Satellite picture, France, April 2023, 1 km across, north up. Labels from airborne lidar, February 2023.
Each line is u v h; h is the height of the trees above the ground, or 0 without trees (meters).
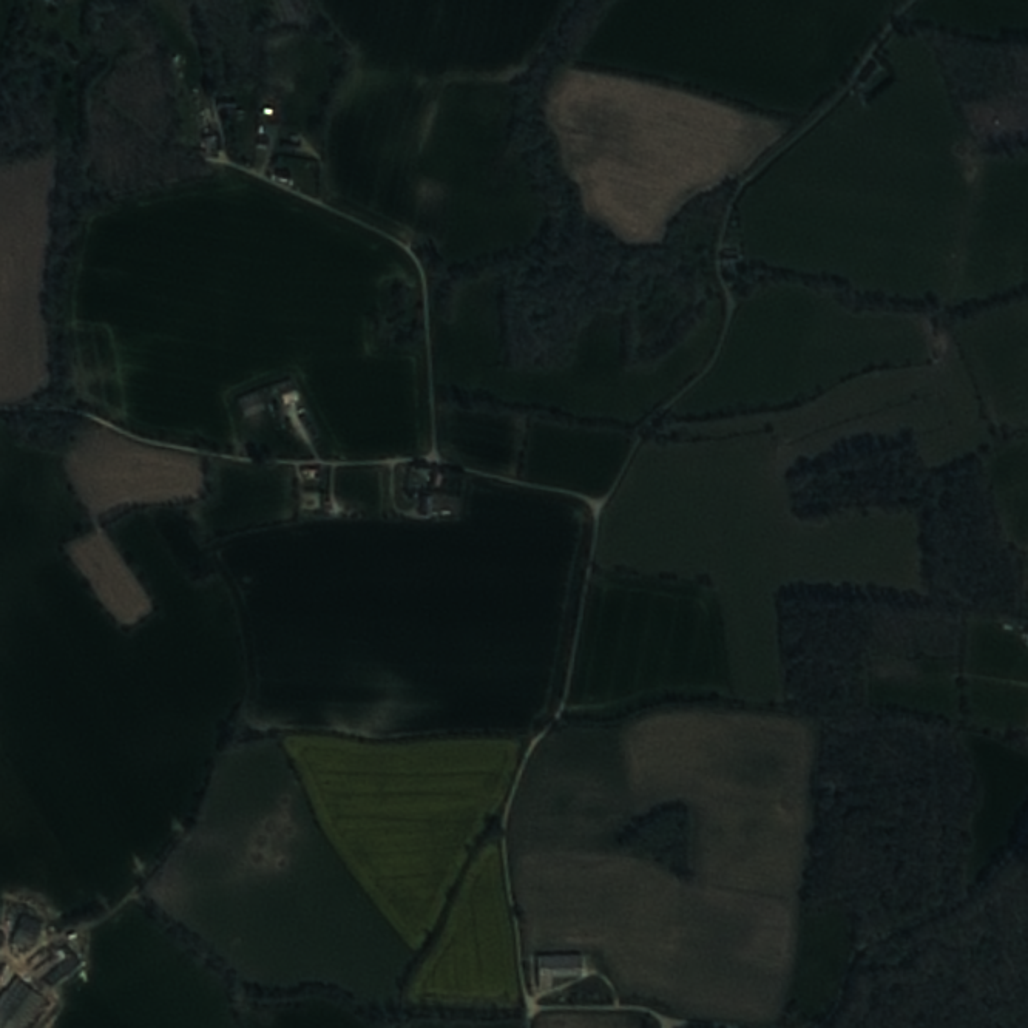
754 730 0
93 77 9
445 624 0
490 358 0
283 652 0
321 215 0
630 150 0
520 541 0
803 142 0
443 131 0
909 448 17
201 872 0
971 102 10
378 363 0
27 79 12
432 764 0
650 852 9
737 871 0
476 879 0
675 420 9
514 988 0
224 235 0
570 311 10
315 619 0
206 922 0
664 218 0
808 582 0
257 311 0
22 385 0
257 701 0
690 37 0
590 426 10
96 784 0
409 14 0
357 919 0
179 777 0
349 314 0
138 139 10
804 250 0
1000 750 0
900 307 13
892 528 0
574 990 0
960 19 0
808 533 0
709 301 10
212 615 0
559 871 0
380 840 0
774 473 0
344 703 0
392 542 0
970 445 0
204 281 0
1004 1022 9
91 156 9
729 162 0
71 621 0
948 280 0
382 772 0
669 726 0
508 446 0
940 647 11
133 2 17
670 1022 0
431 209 0
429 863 0
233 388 0
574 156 0
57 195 10
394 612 0
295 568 0
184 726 0
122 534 0
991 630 0
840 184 0
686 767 0
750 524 0
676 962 0
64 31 0
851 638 17
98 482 0
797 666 13
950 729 7
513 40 0
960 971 17
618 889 0
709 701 7
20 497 0
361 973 0
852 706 13
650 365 16
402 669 0
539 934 0
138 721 0
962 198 0
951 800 16
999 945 17
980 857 0
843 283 9
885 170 0
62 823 0
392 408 0
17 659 0
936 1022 17
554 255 17
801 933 0
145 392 0
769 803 0
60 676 0
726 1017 0
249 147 0
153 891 0
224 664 0
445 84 0
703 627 0
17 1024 0
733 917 0
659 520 0
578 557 0
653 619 0
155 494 0
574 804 0
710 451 0
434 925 0
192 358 0
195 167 8
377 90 0
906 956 6
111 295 0
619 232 0
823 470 15
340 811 0
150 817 0
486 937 0
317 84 0
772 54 0
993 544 16
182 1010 0
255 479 0
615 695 0
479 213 0
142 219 0
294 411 0
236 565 0
